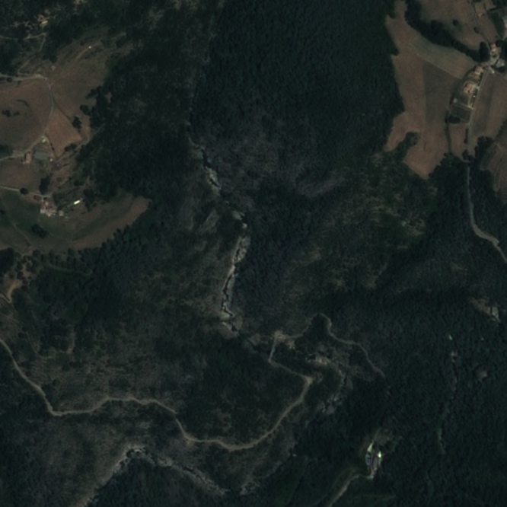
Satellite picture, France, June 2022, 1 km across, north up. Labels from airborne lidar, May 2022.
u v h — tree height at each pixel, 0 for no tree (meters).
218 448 7
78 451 6
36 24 6
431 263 9
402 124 0
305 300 9
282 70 13
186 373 9
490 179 11
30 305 0
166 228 12
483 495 17
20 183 0
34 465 19
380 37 15
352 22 17
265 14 14
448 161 6
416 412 17
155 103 9
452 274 8
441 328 15
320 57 18
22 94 0
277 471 13
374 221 6
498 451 16
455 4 0
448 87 0
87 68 0
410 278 8
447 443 10
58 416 9
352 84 20
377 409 13
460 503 24
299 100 15
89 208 8
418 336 10
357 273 10
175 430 8
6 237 0
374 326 10
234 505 15
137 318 5
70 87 0
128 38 9
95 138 6
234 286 6
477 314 11
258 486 10
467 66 0
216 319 9
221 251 7
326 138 12
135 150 12
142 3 10
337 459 16
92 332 11
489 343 23
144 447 13
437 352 12
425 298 19
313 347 15
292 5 17
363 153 7
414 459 14
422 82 0
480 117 0
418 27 24
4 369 13
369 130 9
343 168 7
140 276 10
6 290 0
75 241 0
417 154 0
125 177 7
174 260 6
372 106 21
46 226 0
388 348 9
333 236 9
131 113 7
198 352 11
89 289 11
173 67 7
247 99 7
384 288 16
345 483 0
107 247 21
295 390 7
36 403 10
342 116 14
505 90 0
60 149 0
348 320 6
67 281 8
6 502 8
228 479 10
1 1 11
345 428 23
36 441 7
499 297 11
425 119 0
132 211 0
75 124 7
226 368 12
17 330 0
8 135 0
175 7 7
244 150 10
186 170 11
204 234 9
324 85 12
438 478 14
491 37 0
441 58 0
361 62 18
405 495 20
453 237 12
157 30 8
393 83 15
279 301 15
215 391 10
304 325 7
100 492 13
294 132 9
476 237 11
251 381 8
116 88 8
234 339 13
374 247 6
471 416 14
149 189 6
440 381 15
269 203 11
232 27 12
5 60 13
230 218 7
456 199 11
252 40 15
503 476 16
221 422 9
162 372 7
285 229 8
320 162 10
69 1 11
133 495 9
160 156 19
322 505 9
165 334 7
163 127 9
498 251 10
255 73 10
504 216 20
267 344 14
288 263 12
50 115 0
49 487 17
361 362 10
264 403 12
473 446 11
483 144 10
